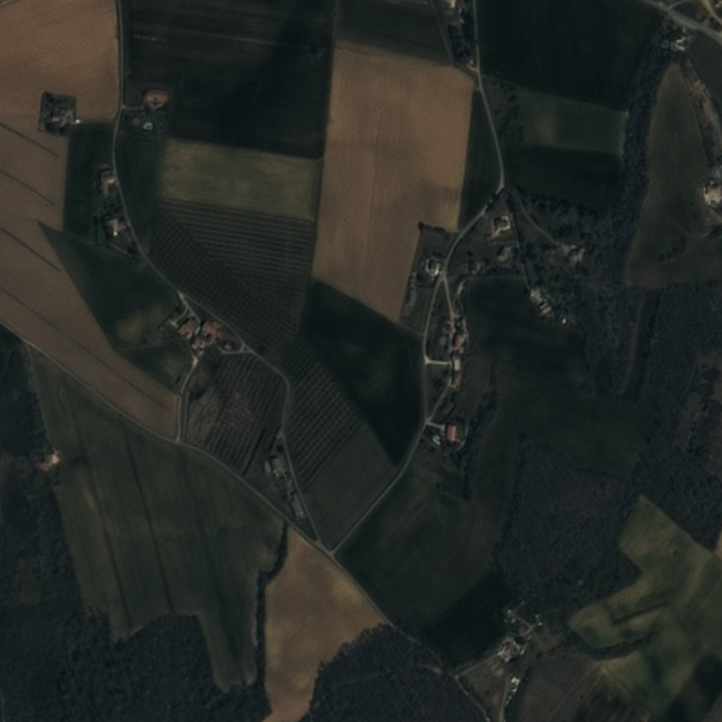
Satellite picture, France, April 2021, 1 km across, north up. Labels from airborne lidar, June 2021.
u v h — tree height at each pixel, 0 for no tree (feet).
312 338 0
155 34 0
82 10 0
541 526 53
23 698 21
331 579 0
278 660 0
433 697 52
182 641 40
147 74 0
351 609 0
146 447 0
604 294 29
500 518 0
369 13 0
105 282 0
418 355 0
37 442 49
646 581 0
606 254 27
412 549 0
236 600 0
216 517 0
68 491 0
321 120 0
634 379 0
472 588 0
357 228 0
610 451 0
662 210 0
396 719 71
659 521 0
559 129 0
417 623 0
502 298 0
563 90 0
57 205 0
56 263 0
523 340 0
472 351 0
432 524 0
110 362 0
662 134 0
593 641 0
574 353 0
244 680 0
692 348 55
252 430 20
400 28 0
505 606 36
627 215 37
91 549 0
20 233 0
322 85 0
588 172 0
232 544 0
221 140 0
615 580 24
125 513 0
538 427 0
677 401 37
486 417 52
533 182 0
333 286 0
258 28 0
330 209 0
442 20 0
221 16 0
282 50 0
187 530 0
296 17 0
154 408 0
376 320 0
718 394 0
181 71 0
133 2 0
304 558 0
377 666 65
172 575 0
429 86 0
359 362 0
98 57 0
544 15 0
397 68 0
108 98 0
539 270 33
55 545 25
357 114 0
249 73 0
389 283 0
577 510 47
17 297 0
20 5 0
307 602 0
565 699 0
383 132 0
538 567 55
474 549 0
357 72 0
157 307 0
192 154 0
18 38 0
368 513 0
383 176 0
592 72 0
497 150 0
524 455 46
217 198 0
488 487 0
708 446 25
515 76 0
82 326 0
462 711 52
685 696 0
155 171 0
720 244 0
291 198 0
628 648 25
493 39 0
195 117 0
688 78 44
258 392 22
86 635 46
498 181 0
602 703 0
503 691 0
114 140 0
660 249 0
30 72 0
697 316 51
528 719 0
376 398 0
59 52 0
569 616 47
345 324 0
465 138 0
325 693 24
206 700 19
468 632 0
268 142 0
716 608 0
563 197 0
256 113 0
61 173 0
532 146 0
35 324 0
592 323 45
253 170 0
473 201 0
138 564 0
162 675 53
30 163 0
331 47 0
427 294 0
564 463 37
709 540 25
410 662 57
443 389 46
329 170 0
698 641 0
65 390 0
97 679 53
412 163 0
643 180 39
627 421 0
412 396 0
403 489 0
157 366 0
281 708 0
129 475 0
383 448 0
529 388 0
